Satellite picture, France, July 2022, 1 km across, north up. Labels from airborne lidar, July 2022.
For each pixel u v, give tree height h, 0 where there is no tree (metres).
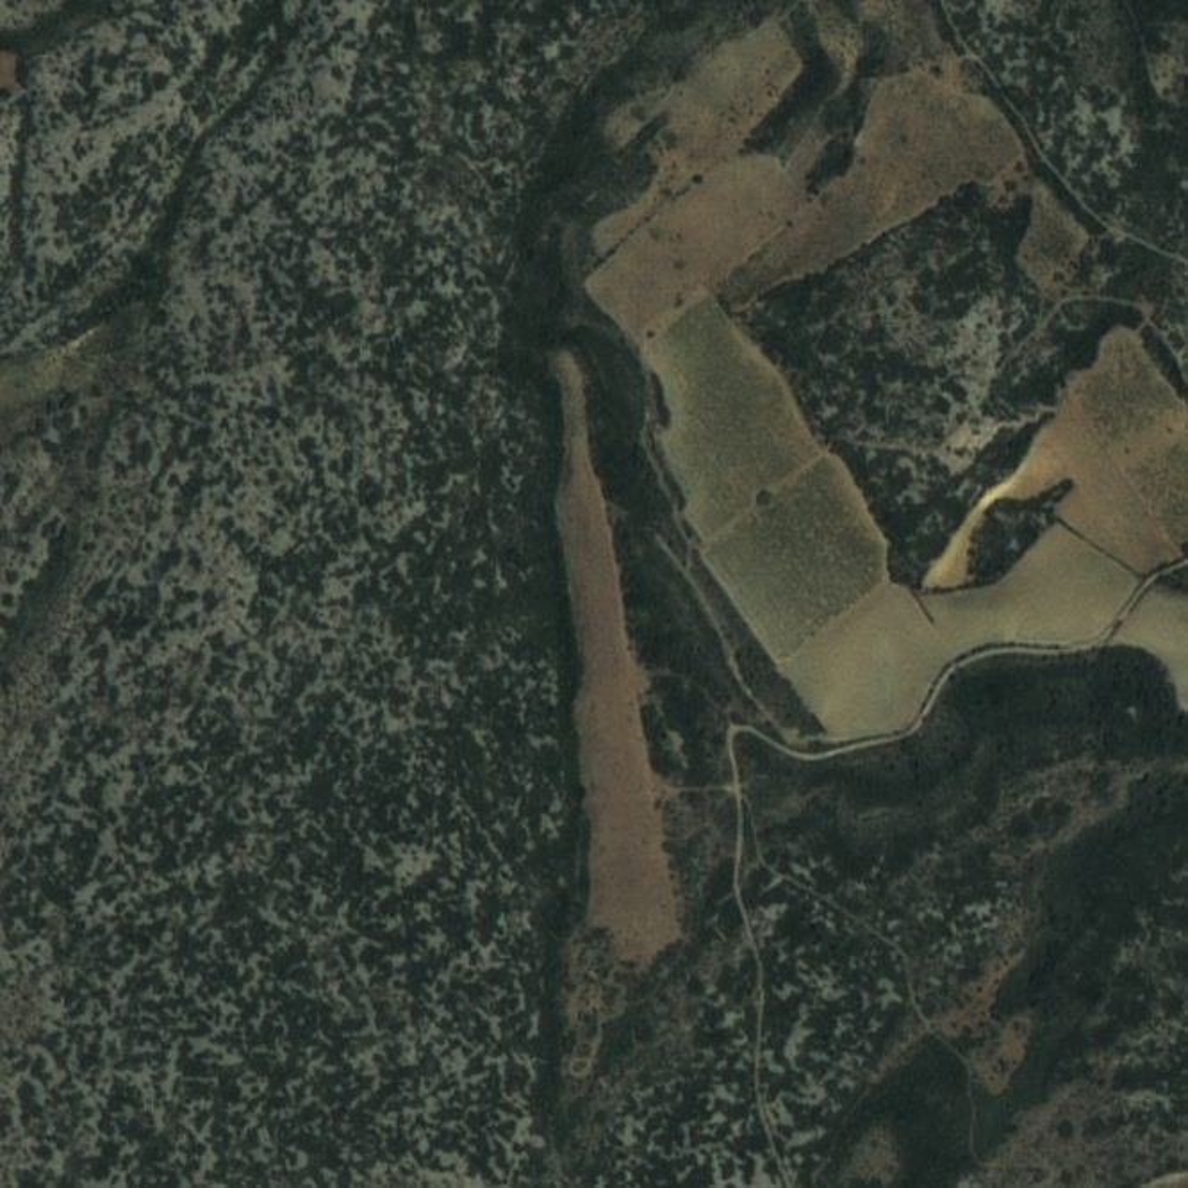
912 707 0
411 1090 0
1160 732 10
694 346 0
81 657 0
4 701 0
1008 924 0
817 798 0
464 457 0
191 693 0
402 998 0
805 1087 0
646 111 0
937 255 0
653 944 0
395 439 0
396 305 0
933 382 0
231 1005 0
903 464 0
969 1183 0
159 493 0
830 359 0
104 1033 0
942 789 0
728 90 0
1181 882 0
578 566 0
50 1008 0
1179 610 0
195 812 0
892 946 0
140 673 0
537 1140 0
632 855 0
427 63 0
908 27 0
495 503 0
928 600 0
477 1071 0
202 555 0
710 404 0
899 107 0
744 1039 0
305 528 0
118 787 0
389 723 0
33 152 0
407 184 0
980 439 0
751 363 0
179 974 0
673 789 0
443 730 0
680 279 0
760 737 0
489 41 0
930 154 0
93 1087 0
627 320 0
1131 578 0
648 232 0
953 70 0
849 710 0
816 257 0
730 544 0
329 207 0
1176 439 0
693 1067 0
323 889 0
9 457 0
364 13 0
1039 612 0
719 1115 0
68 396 7
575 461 0
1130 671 9
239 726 0
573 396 0
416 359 0
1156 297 6
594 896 0
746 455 0
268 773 0
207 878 0
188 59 0
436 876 0
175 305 0
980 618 0
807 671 0
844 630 0
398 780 0
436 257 0
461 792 0
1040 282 0
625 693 0
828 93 0
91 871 0
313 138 0
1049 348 0
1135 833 0
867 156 0
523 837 0
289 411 0
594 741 0
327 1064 0
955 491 0
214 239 0
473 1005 0
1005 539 0
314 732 0
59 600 0
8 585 0
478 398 0
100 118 0
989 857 0
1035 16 0
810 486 0
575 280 0
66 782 0
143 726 0
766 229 0
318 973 0
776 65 0
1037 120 0
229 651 0
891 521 6
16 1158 0
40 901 0
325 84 0
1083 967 0
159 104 0
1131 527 0
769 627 0
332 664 0
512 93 0
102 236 0
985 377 0
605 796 0
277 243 0
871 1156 0
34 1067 0
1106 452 0
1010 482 0
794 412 0
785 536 0
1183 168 0
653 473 7
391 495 0
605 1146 0
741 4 6
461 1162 0
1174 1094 0
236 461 0
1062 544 0
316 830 0
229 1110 0
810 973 0
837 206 0
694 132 0
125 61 0
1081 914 0
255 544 0
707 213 0
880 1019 0
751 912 0
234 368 0
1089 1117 0
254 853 0
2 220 0
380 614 0
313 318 0
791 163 0
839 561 0
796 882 0
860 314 0
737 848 0
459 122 0
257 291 0
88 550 0
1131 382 0
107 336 0
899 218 0
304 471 0
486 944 0
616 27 0
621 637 0
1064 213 0
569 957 0
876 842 0
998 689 7
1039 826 0
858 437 0
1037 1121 0
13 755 0
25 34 0
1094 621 0
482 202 0
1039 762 0
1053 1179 0
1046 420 6
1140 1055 0
